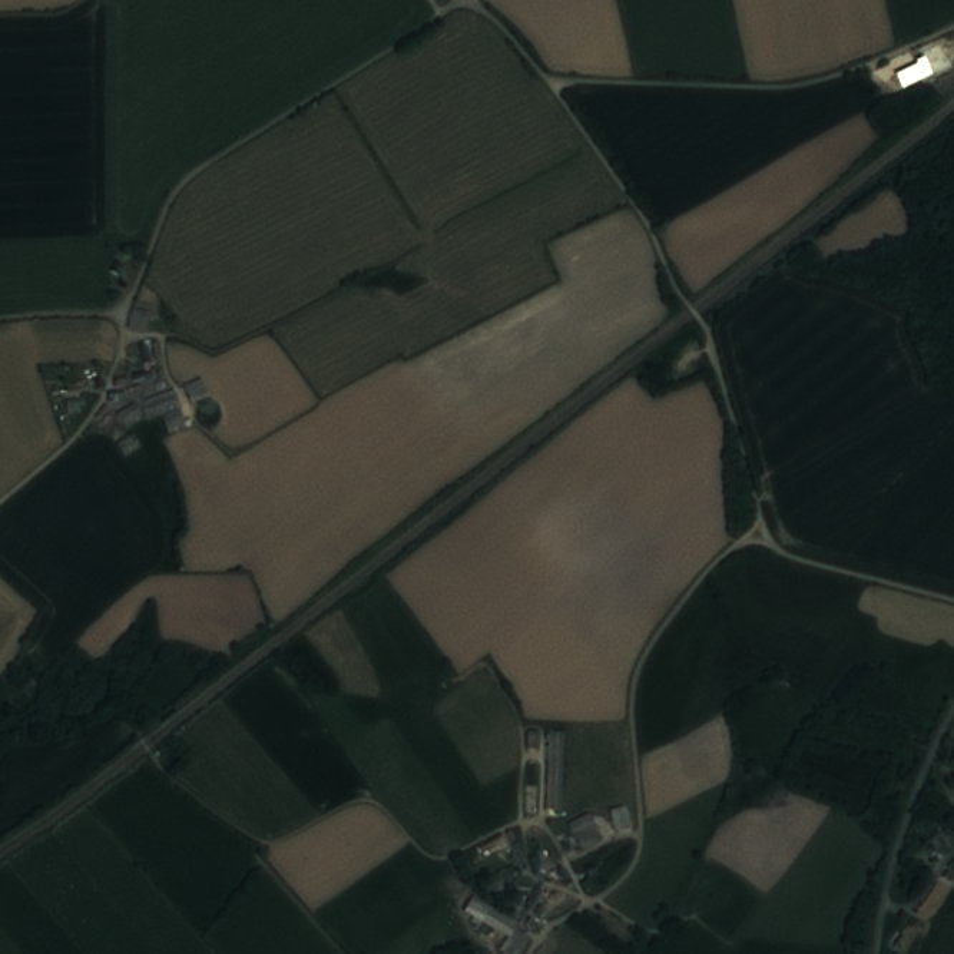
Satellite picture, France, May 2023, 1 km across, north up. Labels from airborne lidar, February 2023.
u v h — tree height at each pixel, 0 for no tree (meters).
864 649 0
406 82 0
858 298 0
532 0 0
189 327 0
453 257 0
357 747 0
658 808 0
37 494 0
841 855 0
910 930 0
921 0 0
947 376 16
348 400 0
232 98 0
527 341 0
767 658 0
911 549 0
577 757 0
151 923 0
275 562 0
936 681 0
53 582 0
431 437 0
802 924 0
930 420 0
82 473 0
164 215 0
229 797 0
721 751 0
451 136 0
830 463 0
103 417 0
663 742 0
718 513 0
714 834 0
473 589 0
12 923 0
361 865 0
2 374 0
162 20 0
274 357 0
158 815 0
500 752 0
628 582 0
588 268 0
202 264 0
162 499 0
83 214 0
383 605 0
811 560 0
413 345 0
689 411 0
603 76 0
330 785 0
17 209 0
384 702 0
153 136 0
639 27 0
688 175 0
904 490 0
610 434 0
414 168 0
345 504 0
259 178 0
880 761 7
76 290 0
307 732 0
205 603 0
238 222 0
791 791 9
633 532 0
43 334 0
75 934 0
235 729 0
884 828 10
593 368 0
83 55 0
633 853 0
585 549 0
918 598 0
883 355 0
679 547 0
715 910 0
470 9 0
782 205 0
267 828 0
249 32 0
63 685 10
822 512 0
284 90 0
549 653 0
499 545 0
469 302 0
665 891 0
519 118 0
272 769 0
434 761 0
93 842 0
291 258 0
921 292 14
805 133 0
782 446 0
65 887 0
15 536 0
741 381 0
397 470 0
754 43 0
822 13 0
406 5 0
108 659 6
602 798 0
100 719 11
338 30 0
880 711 0
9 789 0
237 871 0
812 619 0
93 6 0
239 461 0
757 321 0
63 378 9
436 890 0
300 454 0
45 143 0
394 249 0
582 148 0
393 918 0
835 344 0
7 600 0
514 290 0
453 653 0
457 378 0
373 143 0
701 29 0
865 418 0
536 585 0
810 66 0
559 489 0
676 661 0
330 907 0
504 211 0
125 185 0
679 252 0
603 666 0
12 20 0
